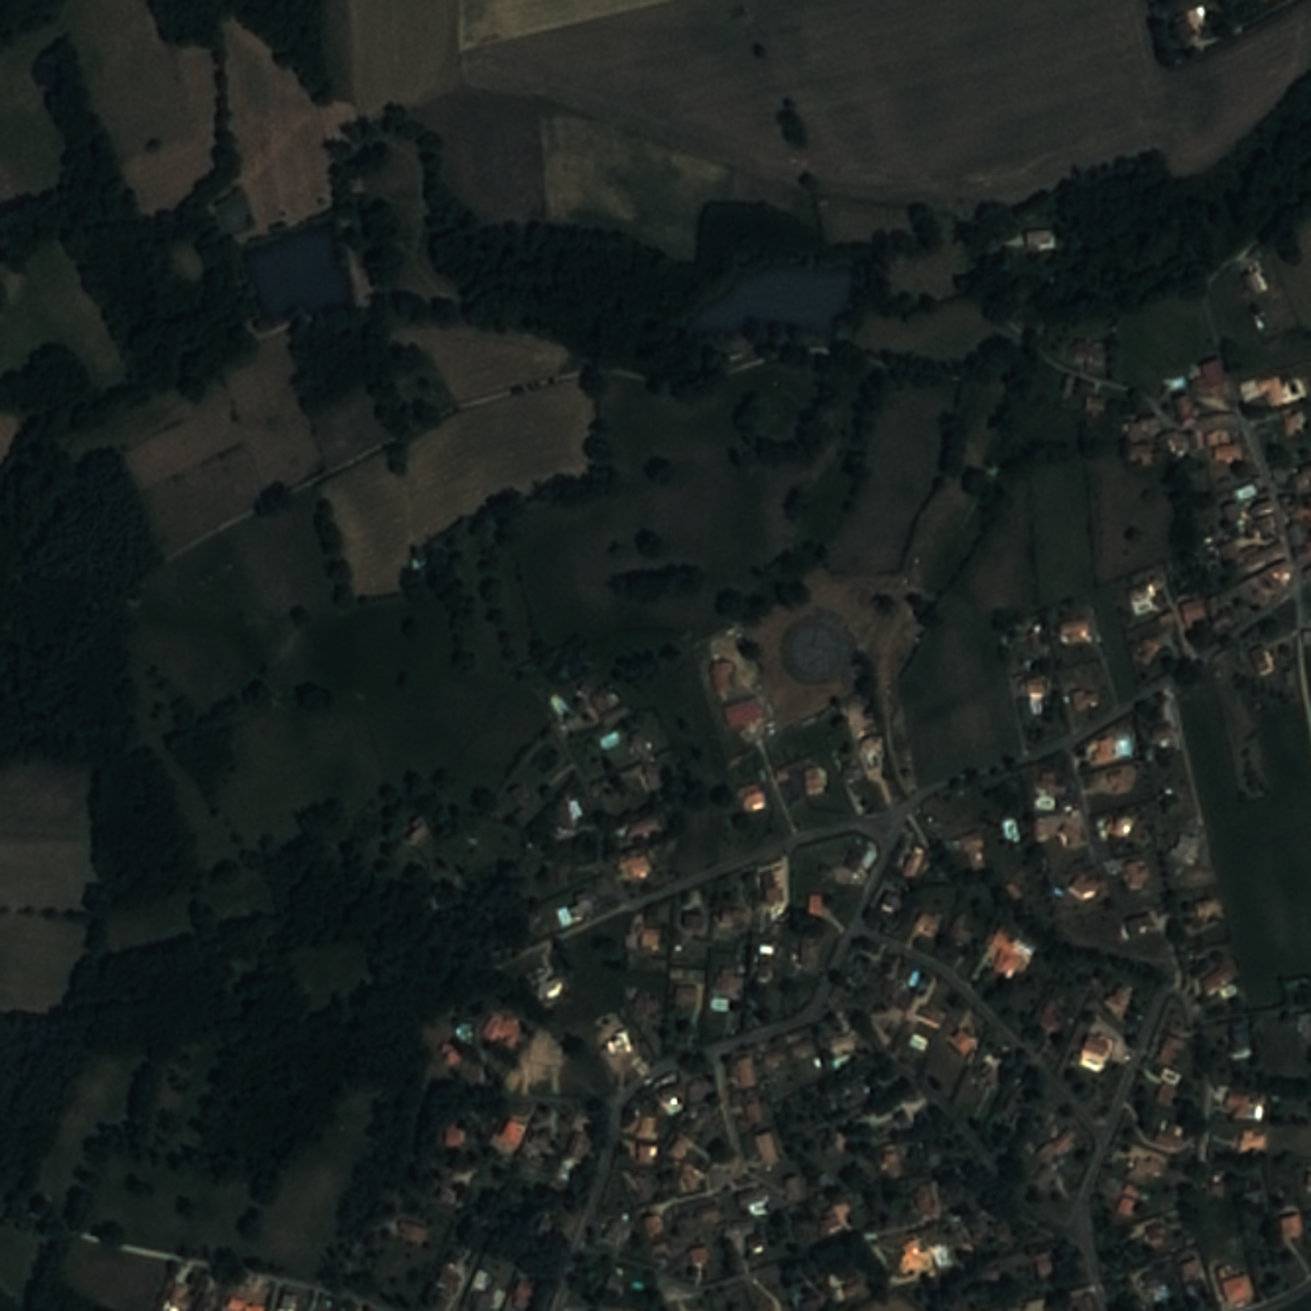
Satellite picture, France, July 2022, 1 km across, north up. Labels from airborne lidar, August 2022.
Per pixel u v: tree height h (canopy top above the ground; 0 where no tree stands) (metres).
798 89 0
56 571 17
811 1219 13
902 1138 12
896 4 0
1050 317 16
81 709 22
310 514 0
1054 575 0
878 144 0
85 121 17
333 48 0
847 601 0
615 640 0
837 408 15
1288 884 0
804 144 14
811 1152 10
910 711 0
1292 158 23
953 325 0
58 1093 25
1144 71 0
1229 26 12
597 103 0
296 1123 14
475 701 0
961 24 0
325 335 12
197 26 14
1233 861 0
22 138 0
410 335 0
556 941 0
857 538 0
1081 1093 15
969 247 29
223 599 0
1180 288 20
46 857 0
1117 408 6
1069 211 20
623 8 0
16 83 0
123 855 13
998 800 10
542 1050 0
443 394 0
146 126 0
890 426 0
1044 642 10
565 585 0
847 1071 9
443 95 0
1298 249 14
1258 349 0
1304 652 0
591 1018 0
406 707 0
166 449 0
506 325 15
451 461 0
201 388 16
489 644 0
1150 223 14
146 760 13
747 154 0
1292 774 0
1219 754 0
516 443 0
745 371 0
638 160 0
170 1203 0
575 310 31
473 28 0
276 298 0
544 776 0
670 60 0
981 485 18
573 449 0
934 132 0
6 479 14
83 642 24
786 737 0
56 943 0
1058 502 0
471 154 0
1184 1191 14
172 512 0
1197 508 11
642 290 22
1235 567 10
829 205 0
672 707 0
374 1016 22
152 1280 0
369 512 0
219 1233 0
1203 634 8
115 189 17
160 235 17
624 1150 7
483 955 21
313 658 0
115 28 0
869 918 10
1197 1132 19
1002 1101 6
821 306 0
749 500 0
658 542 13
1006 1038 0
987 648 0
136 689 21
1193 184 7
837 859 0
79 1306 18
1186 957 10
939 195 0
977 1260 16
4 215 19
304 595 0
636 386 0
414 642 11
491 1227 6
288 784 0
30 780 0
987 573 0
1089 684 0
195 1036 23
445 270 15
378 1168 20
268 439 0
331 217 7
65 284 0
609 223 0
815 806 0
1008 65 0
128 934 0
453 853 0
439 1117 20
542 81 0
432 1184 16
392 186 0
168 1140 20
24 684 25
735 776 0
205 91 0
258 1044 19
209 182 11
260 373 0
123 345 9
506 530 19
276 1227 0
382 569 0
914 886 12
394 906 15
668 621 0
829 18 0
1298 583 0
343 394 13
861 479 20
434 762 0
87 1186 23
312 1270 0
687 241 0
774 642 0
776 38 0
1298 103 16
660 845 9
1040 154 0
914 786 0
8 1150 12
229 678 0
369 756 0
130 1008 26
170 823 19
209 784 10
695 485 0
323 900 15
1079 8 0
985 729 0
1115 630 0
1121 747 0
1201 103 0
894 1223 10
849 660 0
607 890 0
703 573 9
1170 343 0
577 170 0
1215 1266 0
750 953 11
